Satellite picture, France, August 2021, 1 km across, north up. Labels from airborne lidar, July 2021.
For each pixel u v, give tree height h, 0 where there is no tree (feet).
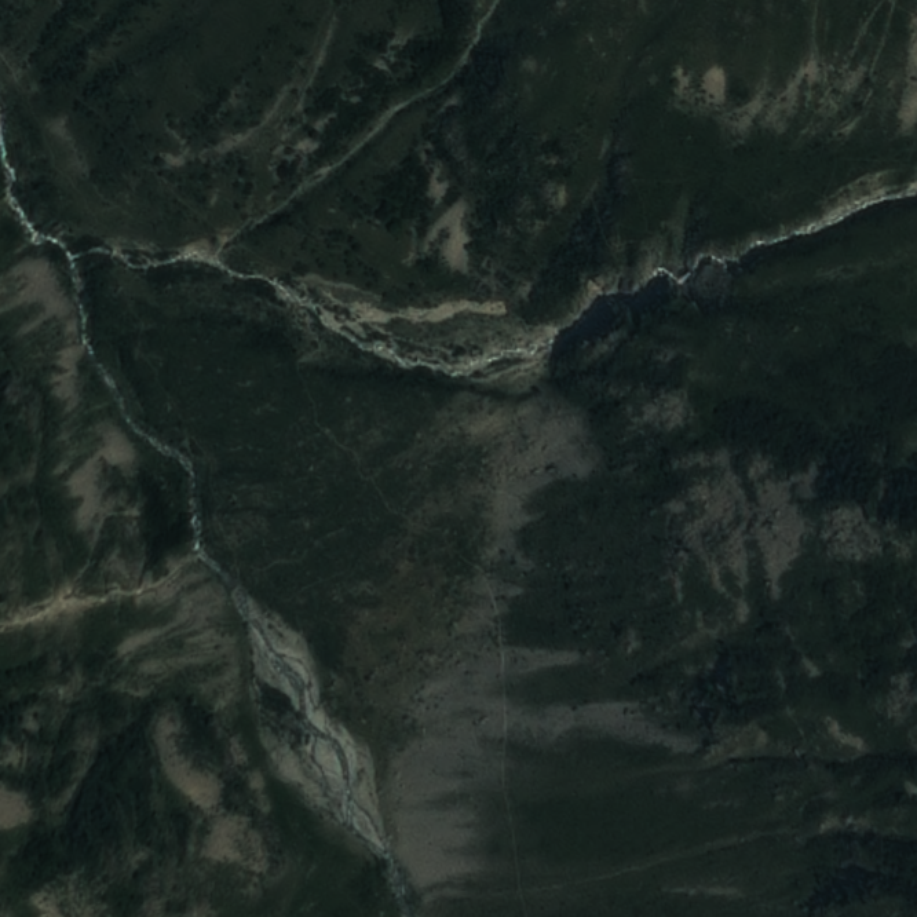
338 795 0
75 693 30
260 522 0
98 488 0
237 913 0
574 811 0
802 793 0
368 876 0
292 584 0
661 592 0
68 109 0
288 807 0
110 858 0
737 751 0
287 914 0
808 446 20
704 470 0
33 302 0
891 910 0
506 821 0
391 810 0
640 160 0
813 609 0
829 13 0
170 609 0
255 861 0
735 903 0
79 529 0
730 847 0
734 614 0
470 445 0
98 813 26
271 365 0
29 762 19
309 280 0
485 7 0
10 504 24
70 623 0
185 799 0
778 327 0
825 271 0
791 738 0
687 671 0
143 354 0
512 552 0
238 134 0
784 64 0
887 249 0
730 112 0
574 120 0
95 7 21
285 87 0
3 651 0
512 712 0
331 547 0
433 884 0
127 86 0
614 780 0
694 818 0
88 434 0
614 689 0
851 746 0
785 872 0
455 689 0
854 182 0
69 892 0
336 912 0
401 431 0
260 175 0
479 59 36
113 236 0
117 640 0
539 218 18
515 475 0
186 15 0
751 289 0
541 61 0
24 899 0
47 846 38
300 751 0
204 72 0
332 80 0
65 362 0
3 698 23
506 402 0
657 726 0
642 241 0
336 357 0
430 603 0
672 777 0
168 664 0
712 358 0
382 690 0
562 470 0
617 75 0
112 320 0
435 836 0
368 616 0
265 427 0
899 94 0
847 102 0
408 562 0
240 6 0
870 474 21
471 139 20
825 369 0
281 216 21
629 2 0
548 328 0
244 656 0
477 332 0
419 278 0
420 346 0
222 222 0
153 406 0
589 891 0
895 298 0
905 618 0
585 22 0
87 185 0
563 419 0
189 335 0
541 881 0
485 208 21
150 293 0
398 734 0
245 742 0
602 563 0
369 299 0
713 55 0
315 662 0
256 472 0
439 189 0
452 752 0
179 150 0
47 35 26
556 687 0
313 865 0
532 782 0
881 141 0
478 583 0
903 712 0
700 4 0
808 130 0
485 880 0
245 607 0
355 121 26
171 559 0
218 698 0
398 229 32
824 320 0
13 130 0
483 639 0
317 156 19
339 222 0
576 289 20
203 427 0
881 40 0
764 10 0
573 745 0
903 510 19
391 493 0
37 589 0
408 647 0
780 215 0
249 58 0
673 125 0
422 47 25
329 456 0
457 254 0
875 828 0
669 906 0
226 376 0
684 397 0
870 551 0
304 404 0
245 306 0
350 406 0
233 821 0
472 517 0
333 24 0
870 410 0
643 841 0
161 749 0
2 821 0
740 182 0
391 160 0
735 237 0
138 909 0
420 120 0
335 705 0
